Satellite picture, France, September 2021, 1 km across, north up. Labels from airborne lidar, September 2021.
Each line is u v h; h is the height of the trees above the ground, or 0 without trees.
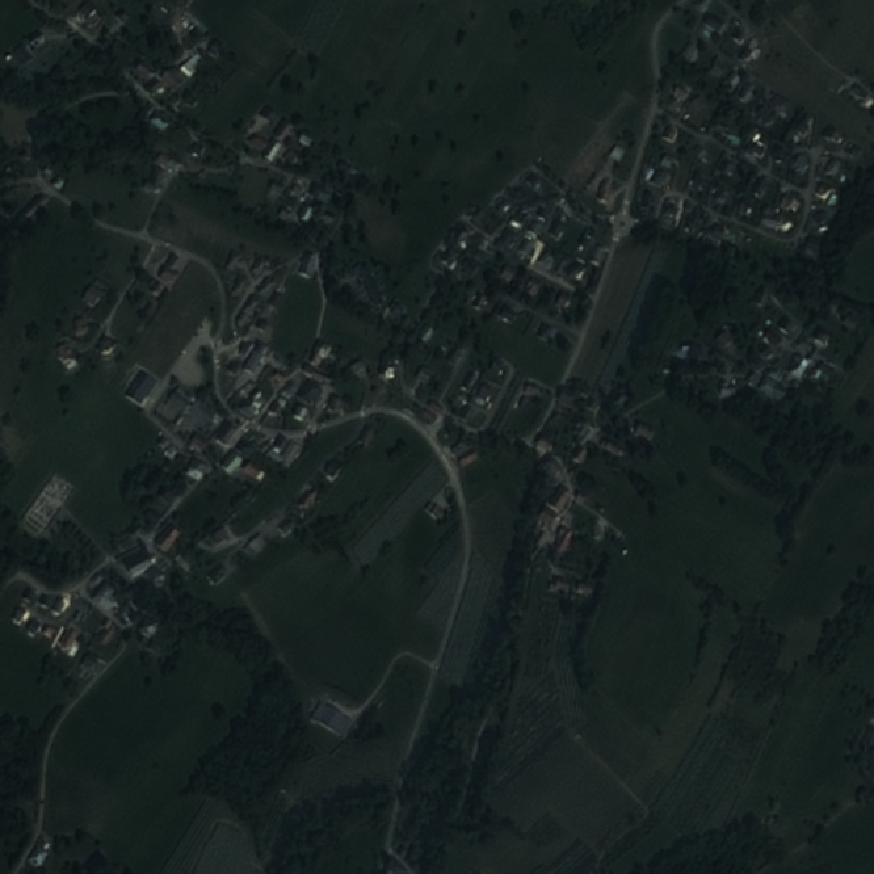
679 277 0
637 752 0
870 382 0
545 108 0
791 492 19
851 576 0
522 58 0
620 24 7
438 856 22
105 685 0
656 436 0
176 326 0
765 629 9
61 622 0
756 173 6
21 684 0
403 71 0
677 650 0
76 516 0
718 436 0
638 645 0
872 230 10
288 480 6
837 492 0
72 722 0
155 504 8
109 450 0
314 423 0
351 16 0
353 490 0
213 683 0
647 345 23
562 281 0
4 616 0
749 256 10
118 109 21
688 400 16
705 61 0
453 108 0
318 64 16
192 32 7
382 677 0
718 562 0
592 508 0
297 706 12
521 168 0
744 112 7
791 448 16
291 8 0
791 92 0
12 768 22
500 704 16
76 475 0
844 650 11
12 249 17
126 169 9
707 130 6
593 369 0
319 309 0
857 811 0
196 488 0
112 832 0
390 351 7
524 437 0
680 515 0
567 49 0
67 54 6
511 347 0
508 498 0
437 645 0
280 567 0
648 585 0
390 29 0
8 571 26
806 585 0
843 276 15
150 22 5
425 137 0
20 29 0
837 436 14
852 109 0
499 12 0
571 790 0
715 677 0
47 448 0
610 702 0
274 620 0
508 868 0
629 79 0
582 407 8
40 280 0
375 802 28
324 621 0
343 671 0
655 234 18
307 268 0
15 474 18
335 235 0
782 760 0
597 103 0
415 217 0
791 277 11
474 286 7
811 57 0
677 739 0
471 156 0
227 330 0
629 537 0
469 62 0
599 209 0
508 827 12
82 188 0
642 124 0
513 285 8
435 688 0
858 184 14
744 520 0
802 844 0
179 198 0
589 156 0
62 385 0
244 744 25
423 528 0
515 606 21
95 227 7
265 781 17
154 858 0
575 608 13
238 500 10
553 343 14
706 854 11
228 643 21
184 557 8
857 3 0
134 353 0
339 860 0
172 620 25
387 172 0
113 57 13
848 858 0
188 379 0
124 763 0
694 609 0
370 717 9
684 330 0
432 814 8
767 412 12
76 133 29
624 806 0
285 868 24
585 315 14
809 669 0
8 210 16
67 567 10
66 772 0
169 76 0
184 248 0
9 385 0
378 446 0
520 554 12
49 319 0
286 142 7
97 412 0
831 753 0
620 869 0
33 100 16
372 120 0
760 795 0
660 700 0
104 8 0
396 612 0
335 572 0
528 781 0
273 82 6
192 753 0
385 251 0
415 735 0
